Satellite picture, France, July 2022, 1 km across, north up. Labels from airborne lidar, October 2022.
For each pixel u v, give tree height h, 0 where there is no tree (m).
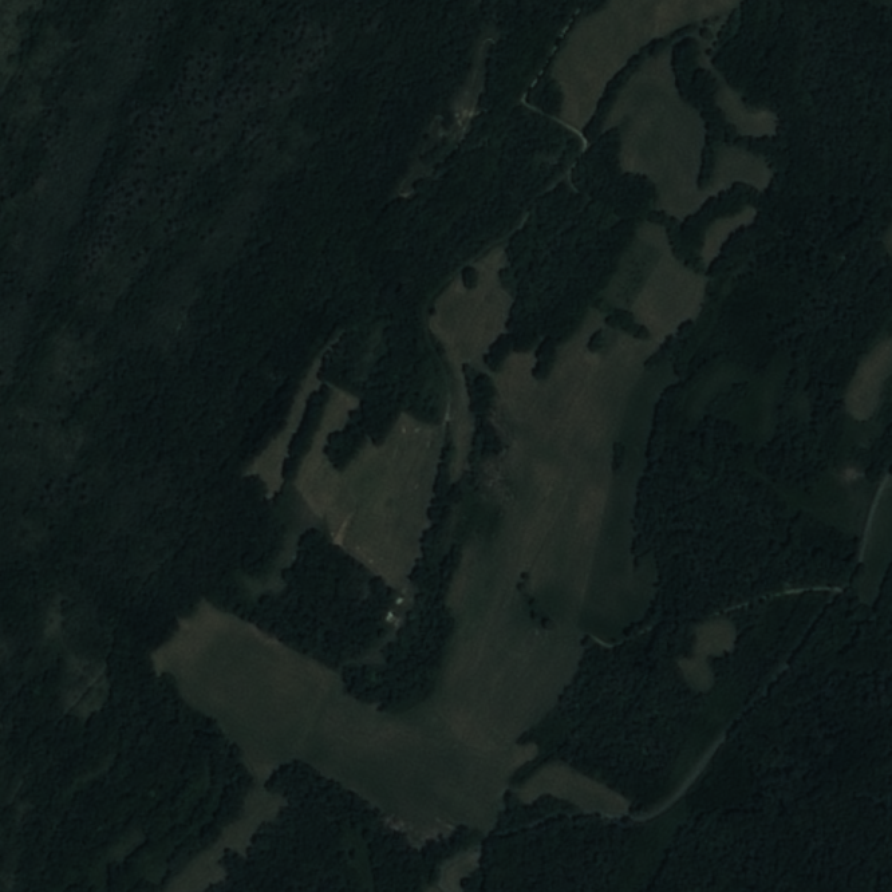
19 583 18
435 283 12
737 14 7
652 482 18
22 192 9
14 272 7
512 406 0
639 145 0
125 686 14
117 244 8
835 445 6
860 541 12
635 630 12
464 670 0
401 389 14
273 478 0
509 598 0
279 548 8
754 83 11
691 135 0
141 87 12
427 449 0
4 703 10
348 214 20
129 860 11
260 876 18
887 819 25
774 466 10
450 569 16
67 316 12
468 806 0
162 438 15
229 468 16
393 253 22
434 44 15
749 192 13
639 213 14
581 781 0
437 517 17
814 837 16
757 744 22
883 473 17
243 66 11
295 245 17
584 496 0
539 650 0
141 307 13
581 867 11
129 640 17
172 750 20
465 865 0
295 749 0
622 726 11
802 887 19
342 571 17
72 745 15
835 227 19
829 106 13
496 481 0
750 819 17
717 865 18
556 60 9
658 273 0
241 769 8
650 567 0
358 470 0
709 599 13
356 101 18
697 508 16
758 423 0
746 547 13
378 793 0
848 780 18
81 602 6
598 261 13
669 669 15
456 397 0
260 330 18
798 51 17
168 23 17
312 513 0
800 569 15
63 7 8
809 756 10
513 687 0
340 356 17
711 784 7
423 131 12
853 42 11
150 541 9
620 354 0
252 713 0
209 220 12
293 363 17
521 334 17
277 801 0
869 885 18
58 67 6
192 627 0
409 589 0
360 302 13
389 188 19
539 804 9
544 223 12
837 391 17
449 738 0
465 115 0
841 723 15
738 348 6
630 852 7
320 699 0
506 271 7
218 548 14
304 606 16
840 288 15
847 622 6
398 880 18
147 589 13
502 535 0
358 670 7
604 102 11
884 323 8
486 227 11
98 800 13
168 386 14
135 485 10
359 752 0
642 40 0
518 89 14
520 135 12
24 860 7
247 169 7
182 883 0
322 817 18
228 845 0
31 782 8
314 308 14
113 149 11
